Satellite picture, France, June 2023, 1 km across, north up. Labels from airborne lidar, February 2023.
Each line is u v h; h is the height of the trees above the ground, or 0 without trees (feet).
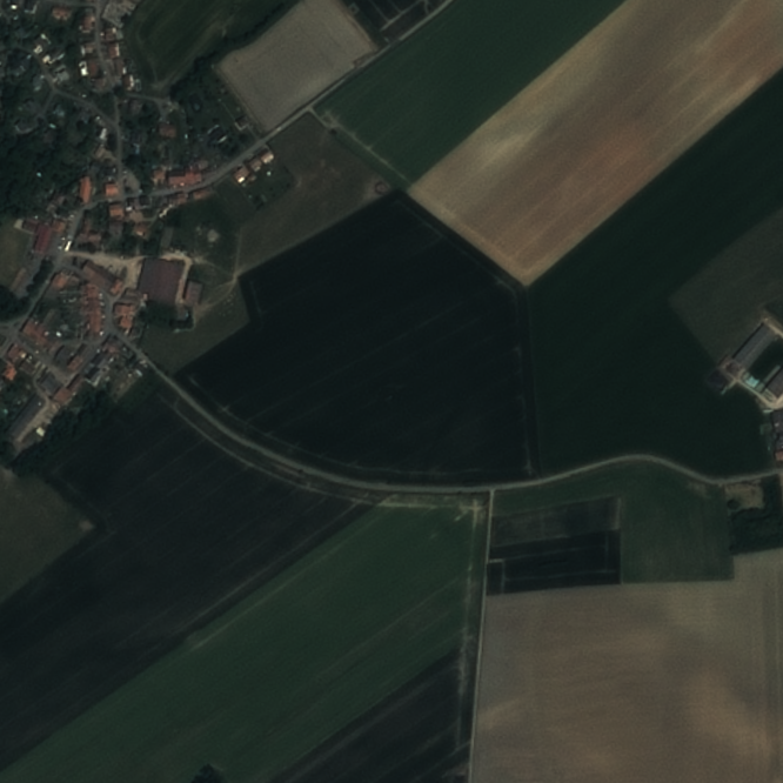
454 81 0
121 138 0
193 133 39
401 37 0
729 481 0
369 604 0
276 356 0
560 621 0
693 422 0
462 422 0
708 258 0
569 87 0
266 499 0
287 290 0
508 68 0
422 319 0
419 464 0
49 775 0
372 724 0
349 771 0
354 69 0
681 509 0
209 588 0
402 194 0
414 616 0
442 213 0
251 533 0
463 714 0
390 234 0
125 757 0
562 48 0
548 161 0
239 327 0
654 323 0
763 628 0
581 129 0
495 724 0
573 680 0
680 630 0
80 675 0
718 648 0
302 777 0
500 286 0
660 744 0
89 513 0
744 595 0
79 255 0
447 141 0
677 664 0
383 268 0
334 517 0
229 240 0
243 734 0
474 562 0
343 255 0
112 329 0
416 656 0
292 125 0
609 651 0
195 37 0
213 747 0
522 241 0
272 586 0
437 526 0
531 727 0
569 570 0
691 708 0
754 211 0
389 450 0
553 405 0
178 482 0
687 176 0
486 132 0
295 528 0
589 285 0
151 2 0
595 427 0
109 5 0
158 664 0
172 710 0
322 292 0
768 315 0
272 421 0
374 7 0
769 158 0
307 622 0
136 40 0
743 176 0
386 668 0
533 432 0
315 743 0
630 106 0
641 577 0
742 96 0
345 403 0
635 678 0
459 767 0
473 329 0
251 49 0
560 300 0
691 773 0
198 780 0
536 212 0
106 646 0
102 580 0
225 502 0
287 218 0
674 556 0
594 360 0
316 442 0
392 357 0
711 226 0
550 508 0
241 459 0
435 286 0
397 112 0
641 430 0
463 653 0
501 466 0
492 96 0
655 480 0
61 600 0
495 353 0
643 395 0
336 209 0
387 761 0
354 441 0
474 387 0
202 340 0
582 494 0
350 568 0
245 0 0
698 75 0
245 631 0
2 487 0
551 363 0
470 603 0
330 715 0
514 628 0
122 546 0
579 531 0
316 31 0
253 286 0
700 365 0
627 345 0
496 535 0
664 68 0
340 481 0
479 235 0
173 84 0
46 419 0
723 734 0
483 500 0
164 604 0
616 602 0
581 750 0
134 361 21
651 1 0
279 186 0
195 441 0
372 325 0
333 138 0
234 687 0
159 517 0
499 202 0
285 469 0
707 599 0
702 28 0
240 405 0
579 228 0
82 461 0
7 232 0
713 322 0
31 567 0
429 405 0
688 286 0
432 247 0
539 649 0
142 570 0
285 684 0
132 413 0
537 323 0
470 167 0
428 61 0
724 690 0
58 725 0
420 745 0
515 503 0
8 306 62
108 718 0
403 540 0
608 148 0
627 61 0
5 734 0
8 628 0
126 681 0
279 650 0
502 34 0
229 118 0
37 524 0
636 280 0
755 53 0
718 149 0
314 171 0
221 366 0
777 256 0
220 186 0
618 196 0
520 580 0
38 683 0
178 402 0
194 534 0
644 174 0
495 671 0
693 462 0
